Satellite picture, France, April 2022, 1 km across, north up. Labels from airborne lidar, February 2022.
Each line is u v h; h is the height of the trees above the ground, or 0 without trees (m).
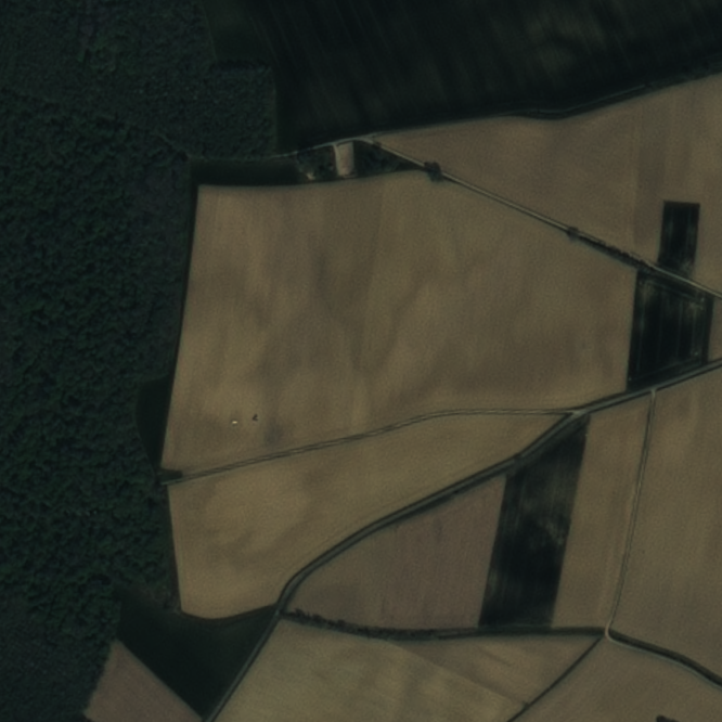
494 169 0
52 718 21
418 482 0
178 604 0
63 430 26
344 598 0
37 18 24
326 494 0
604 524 0
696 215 0
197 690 0
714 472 0
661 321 0
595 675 0
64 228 25
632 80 0
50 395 28
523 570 0
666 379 0
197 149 19
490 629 0
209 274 0
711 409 0
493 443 0
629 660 0
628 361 0
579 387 0
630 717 0
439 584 0
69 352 23
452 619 0
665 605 0
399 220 0
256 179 0
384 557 0
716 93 0
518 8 0
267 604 0
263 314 0
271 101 21
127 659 0
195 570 0
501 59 0
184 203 26
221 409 0
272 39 0
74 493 29
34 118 17
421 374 0
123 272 34
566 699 0
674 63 0
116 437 25
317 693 0
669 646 0
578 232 13
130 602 0
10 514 15
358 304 0
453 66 0
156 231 31
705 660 0
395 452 0
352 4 0
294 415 0
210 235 0
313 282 0
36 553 28
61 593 20
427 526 0
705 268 0
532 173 0
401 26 0
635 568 0
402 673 0
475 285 0
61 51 23
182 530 0
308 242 0
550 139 0
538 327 0
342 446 0
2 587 19
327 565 0
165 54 25
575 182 0
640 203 0
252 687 0
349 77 0
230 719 0
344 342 0
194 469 0
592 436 0
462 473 0
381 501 0
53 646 22
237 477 0
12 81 21
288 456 0
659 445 0
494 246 0
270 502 0
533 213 0
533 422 0
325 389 0
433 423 0
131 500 25
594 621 0
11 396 24
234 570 0
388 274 0
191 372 0
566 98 0
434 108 0
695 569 0
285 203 0
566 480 0
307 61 0
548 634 0
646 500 0
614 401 0
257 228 0
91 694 20
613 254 9
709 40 0
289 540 0
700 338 0
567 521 0
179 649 0
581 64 0
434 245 0
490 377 0
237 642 0
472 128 0
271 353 0
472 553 0
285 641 0
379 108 0
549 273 0
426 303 0
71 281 30
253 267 0
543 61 0
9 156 17
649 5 0
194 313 0
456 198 0
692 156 0
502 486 0
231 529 0
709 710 0
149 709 0
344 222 0
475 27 0
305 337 0
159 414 0
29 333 30
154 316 21
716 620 0
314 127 0
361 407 0
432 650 0
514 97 0
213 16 0
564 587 0
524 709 0
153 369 27
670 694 0
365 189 0
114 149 21
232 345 0
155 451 0
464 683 0
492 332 0
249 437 0
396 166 7
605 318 0
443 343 0
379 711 0
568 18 0
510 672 0
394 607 0
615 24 0
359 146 0
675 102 0
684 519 0
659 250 0
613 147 0
